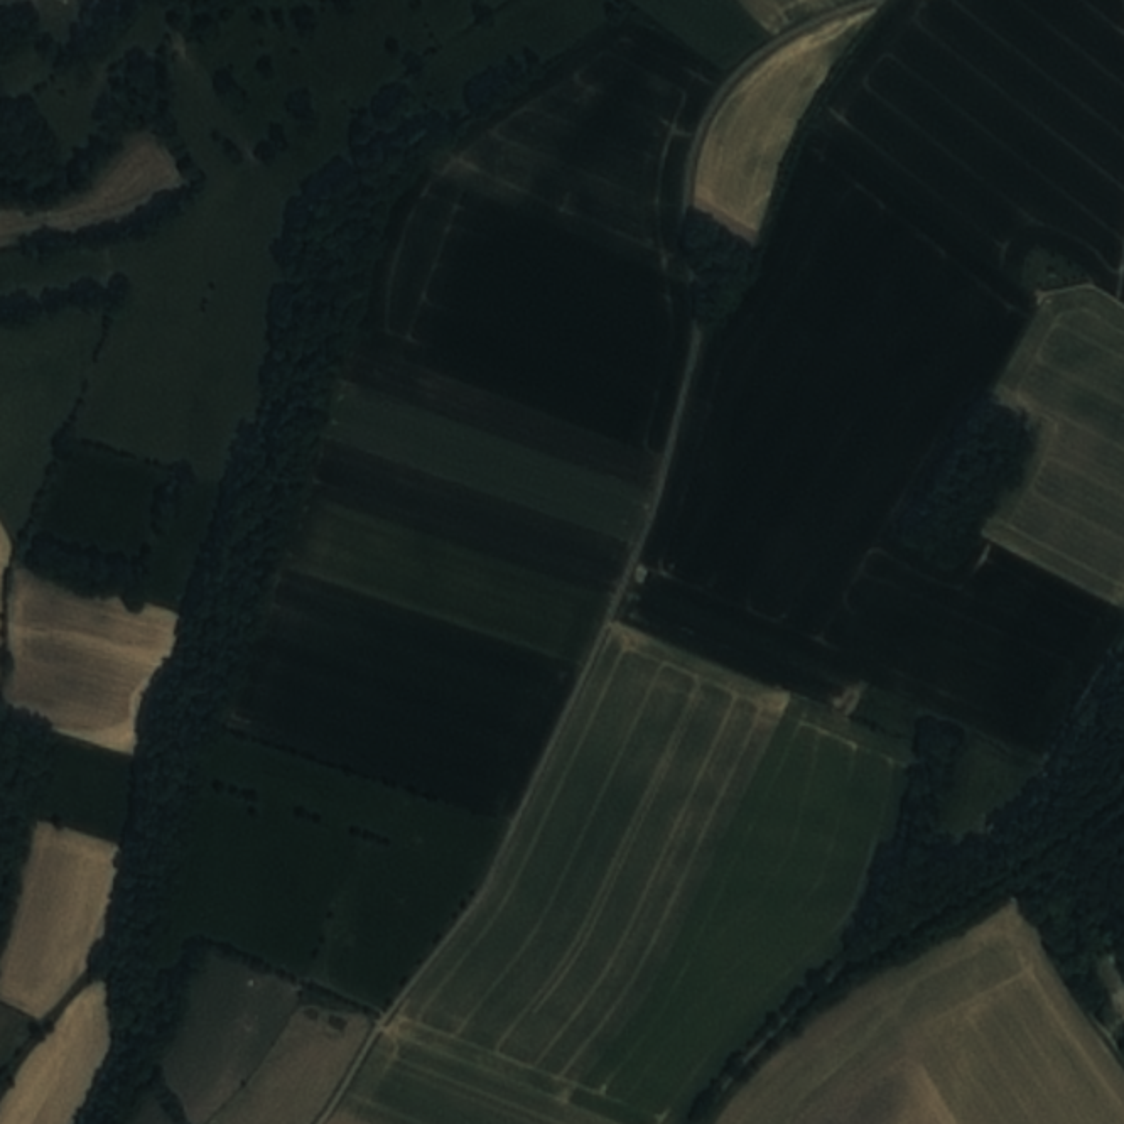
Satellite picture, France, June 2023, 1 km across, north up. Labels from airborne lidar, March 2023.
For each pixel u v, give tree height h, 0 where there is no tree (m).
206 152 0
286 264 26
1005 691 0
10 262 0
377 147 24
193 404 0
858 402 0
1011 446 29
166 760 27
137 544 0
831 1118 0
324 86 0
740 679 0
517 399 0
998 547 0
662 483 0
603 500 0
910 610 0
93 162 22
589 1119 0
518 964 0
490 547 0
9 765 23
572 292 0
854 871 0
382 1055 0
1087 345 0
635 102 0
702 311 20
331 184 23
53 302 21
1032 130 0
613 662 0
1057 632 0
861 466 0
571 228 0
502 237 0
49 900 0
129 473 0
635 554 0
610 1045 0
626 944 0
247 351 0
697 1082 0
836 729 0
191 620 20
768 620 0
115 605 0
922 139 0
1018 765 0
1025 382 0
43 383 0
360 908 0
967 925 10
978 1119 0
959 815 0
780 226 0
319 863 0
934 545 25
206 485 0
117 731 0
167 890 24
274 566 16
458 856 0
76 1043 0
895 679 0
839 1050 0
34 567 15
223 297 0
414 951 0
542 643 0
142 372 0
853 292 0
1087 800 20
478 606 0
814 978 12
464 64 0
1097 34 0
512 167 0
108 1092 26
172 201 19
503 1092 0
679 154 0
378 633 0
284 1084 0
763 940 0
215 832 0
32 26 17
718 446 0
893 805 0
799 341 0
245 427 0
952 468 19
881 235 0
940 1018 0
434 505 0
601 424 0
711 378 0
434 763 0
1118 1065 0
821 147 0
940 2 0
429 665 0
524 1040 0
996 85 0
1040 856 14
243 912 0
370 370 0
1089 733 18
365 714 0
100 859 0
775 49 0
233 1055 0
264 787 0
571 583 0
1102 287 0
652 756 0
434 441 0
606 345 0
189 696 25
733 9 0
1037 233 0
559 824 0
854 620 0
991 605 0
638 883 0
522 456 0
